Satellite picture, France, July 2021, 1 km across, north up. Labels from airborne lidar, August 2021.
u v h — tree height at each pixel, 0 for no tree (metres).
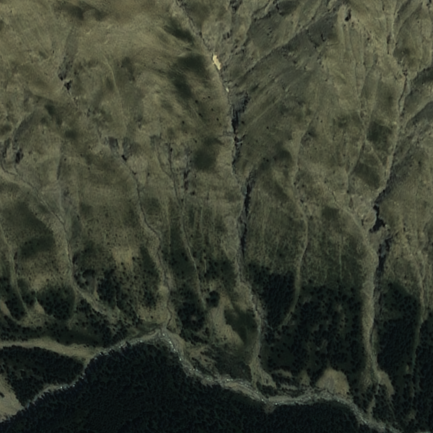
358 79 0
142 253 0
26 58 0
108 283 15
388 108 0
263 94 0
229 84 0
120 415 12
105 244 0
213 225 0
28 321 0
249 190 0
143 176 0
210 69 0
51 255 0
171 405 13
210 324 0
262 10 0
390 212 0
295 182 0
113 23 0
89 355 0
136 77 0
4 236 0
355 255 0
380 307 0
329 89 0
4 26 0
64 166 0
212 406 20
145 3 0
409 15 0
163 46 0
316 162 0
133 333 0
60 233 0
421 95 0
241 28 0
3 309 0
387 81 0
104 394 15
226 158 0
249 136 0
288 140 0
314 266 0
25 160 0
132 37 0
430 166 0
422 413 9
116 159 0
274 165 0
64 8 0
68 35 0
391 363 19
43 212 0
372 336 0
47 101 0
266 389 8
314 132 0
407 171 0
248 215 0
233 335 0
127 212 0
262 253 0
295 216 0
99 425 11
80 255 0
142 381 21
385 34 0
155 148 0
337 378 0
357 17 0
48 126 0
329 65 0
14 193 0
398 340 18
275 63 0
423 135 0
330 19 0
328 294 12
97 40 0
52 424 25
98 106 0
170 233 0
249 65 0
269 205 0
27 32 0
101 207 0
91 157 0
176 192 0
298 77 0
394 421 7
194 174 0
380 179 0
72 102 0
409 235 0
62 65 0
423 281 0
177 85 0
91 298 0
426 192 0
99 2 0
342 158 0
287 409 14
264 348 0
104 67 0
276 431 22
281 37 0
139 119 0
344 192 0
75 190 0
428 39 0
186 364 0
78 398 9
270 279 12
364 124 0
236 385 0
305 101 0
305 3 0
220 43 0
